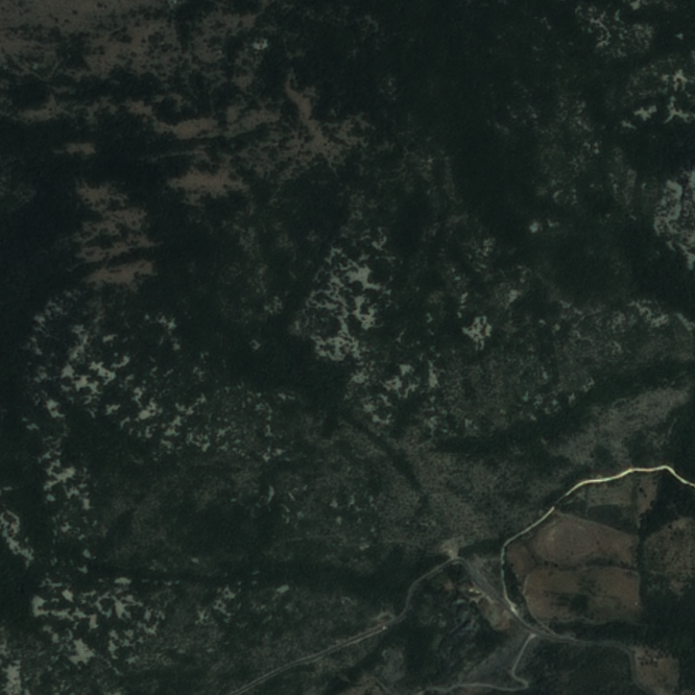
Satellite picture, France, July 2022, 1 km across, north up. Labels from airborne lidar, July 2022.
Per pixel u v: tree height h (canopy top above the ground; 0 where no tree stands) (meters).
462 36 7
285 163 7
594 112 10
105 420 9
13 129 9
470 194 7
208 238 7
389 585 6
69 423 7
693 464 7
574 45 6
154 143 6
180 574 6
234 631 8
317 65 9
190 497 6
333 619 7
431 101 5
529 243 7
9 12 0
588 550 0
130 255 7
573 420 8
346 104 8
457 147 10
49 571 6
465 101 6
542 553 0
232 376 6
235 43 6
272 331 10
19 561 8
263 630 6
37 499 11
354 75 8
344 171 6
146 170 8
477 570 0
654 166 7
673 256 11
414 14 7
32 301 7
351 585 6
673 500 6
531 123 6
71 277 6
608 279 7
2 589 6
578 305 5
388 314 8
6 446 6
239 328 7
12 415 11
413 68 7
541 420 8
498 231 10
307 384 10
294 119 6
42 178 9
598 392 9
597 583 0
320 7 9
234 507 6
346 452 6
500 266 6
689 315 12
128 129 6
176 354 6
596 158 8
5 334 8
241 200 7
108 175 8
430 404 6
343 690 14
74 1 0
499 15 6
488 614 0
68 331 5
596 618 0
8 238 7
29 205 8
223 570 5
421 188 9
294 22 5
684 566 0
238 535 7
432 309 7
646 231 14
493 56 7
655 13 7
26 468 8
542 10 7
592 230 10
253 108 7
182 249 7
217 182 0
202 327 8
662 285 14
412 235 10
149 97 7
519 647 0
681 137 11
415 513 7
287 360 6
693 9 7
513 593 7
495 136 6
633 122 10
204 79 7
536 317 7
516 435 8
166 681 5
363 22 5
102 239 7
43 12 0
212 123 0
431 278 9
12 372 11
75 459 8
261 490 8
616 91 7
